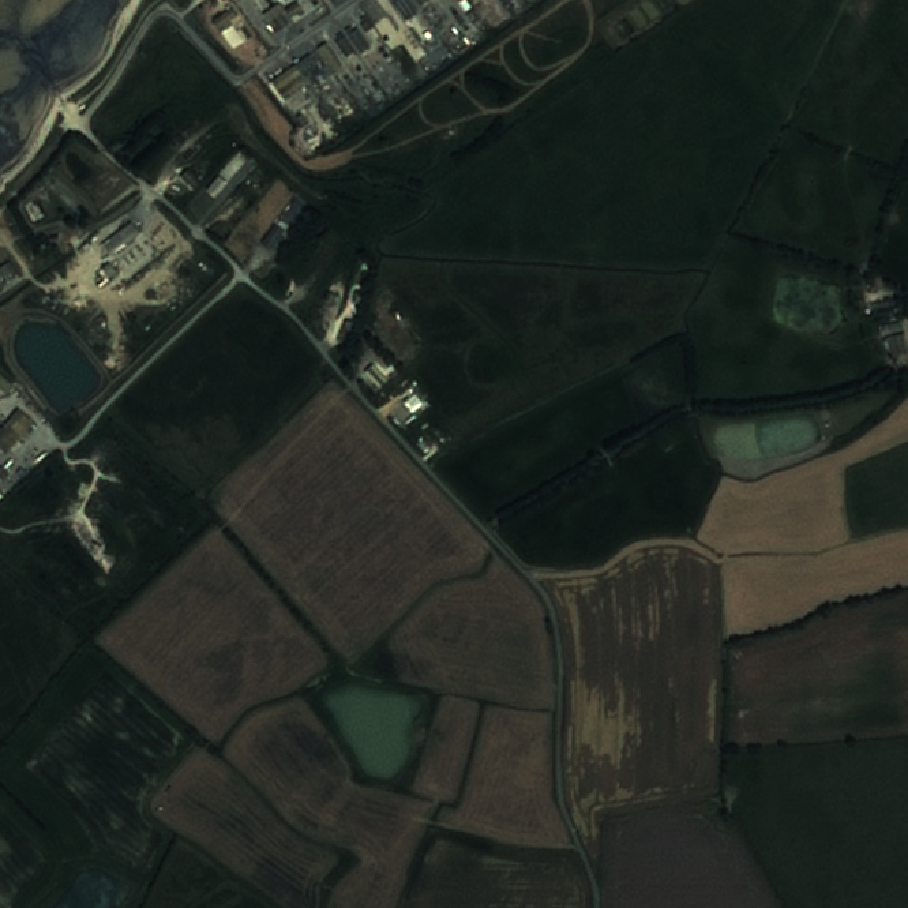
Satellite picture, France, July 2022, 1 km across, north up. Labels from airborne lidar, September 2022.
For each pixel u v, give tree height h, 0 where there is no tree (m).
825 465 0
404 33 0
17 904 0
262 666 0
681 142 0
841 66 0
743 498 0
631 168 0
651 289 0
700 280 0
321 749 0
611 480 0
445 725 0
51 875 0
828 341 0
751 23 0
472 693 0
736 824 0
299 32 0
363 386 13
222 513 0
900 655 0
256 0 0
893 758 0
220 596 0
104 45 0
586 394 0
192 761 0
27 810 8
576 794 0
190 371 0
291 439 0
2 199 0
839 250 0
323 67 0
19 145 0
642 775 0
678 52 0
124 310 0
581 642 0
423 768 0
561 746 0
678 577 0
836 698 0
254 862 0
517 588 0
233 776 0
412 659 0
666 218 0
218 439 0
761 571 0
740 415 10
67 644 0
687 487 0
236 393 0
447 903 0
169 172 0
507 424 0
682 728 0
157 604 0
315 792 0
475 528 0
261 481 0
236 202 0
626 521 0
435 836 0
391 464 0
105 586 0
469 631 0
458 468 0
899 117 0
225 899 0
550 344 0
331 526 0
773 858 0
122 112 0
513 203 0
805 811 0
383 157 0
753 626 0
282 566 0
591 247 0
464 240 0
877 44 0
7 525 0
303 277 0
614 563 0
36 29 0
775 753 0
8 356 0
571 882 0
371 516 0
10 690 0
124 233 0
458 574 0
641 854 0
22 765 0
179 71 0
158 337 0
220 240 8
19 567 0
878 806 0
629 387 0
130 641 0
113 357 0
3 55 0
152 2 0
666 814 0
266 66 0
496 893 0
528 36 0
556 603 0
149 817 0
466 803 0
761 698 0
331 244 0
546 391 0
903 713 0
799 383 0
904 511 0
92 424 0
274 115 0
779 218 0
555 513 0
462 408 0
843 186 0
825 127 0
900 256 0
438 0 0
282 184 0
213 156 0
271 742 0
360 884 0
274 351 0
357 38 0
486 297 0
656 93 0
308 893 0
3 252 0
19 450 0
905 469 0
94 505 0
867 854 0
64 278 0
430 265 0
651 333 0
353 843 0
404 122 0
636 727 0
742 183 0
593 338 0
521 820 0
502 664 0
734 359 0
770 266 0
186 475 0
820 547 0
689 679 0
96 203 0
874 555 0
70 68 0
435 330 0
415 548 0
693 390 7
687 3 0
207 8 0
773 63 0
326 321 0
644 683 0
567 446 0
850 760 0
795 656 0
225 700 0
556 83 0
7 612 0
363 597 0
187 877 0
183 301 0
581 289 0
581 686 0
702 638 0
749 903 0
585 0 0
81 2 0
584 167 0
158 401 0
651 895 0
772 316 0
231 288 0
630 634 0
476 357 0
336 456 0
